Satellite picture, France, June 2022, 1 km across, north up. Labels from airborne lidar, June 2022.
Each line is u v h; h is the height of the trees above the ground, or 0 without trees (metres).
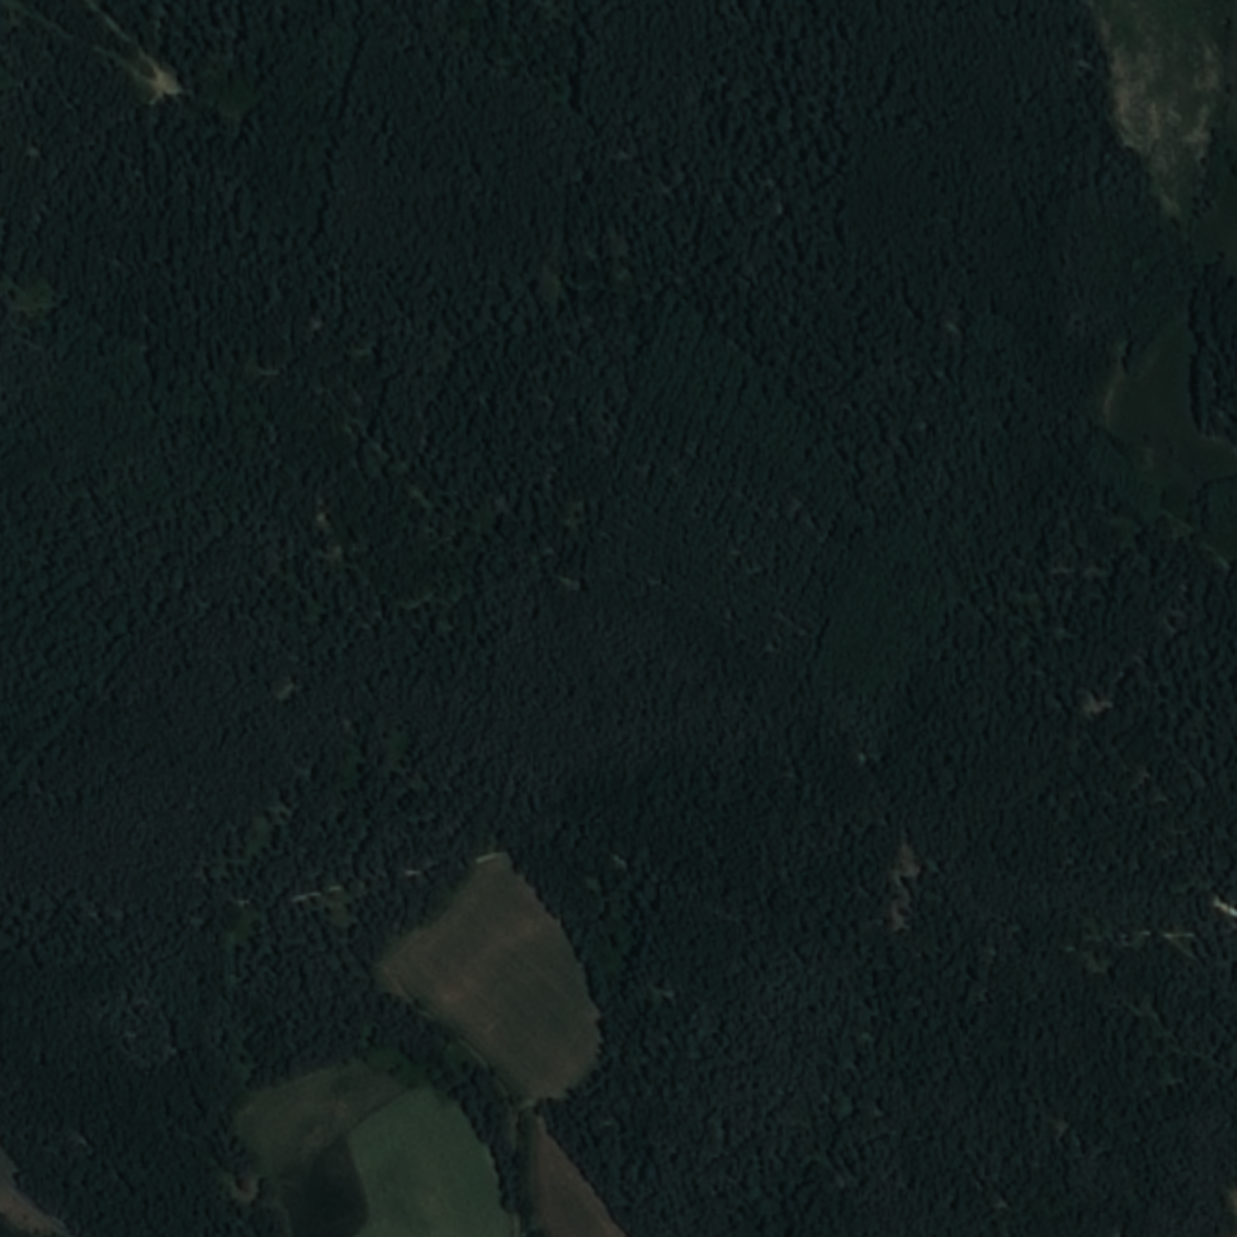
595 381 20
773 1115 13
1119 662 28
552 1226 0
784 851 22
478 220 26
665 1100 19
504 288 22
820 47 25
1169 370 0
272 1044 17
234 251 27
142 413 13
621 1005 24
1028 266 24
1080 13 29
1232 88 9
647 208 26
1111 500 17
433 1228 0
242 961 28
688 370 21
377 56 25
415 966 0
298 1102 0
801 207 29
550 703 21
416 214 28
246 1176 16
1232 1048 12
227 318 21
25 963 30
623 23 27
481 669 19
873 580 22
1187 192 0
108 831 22
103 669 19
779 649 17
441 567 13
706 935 27
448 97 33
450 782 19
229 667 20
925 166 27
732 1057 23
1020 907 18
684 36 28
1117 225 12
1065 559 27
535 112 28
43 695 25
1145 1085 18
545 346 18
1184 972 17
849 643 21
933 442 23
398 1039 17
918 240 26
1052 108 27
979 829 22
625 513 16
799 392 28
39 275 15
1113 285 10
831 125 17
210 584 18
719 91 13
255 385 11
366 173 26
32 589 24
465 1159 0
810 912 16
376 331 22
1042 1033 19
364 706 21
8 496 17
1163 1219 22
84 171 19
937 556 22
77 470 13
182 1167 30
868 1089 20
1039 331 22
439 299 24
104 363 23
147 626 18
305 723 22
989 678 27
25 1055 21
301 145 16
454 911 0
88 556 15
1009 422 16
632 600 18
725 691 28
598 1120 17
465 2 13
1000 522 23
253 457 8
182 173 22
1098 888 16
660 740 18
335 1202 0
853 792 22
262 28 25
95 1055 21
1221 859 13
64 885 26
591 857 23
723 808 16
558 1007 0
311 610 24
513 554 21
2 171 19
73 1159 22
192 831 20
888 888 21
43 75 21
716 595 16
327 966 16
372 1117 0
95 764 24
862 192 27
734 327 24
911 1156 19
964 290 27
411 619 19
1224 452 0
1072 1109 17
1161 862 15
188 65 16
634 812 22
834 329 26
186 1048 27
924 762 28
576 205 26
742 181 29
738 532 15
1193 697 27
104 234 19
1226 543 0
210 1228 16
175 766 18
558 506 15
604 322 15
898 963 26
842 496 24
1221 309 19
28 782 17
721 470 15
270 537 16
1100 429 14
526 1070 0
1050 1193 19
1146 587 28
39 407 15
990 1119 26
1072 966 22
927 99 25
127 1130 25
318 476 19
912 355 26
